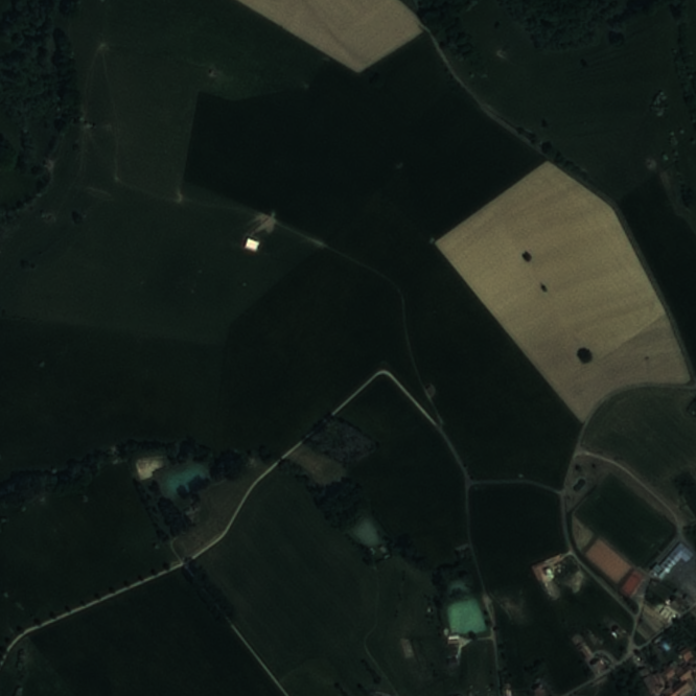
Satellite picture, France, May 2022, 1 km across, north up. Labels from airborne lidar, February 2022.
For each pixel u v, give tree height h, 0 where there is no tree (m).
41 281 0
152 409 0
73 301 0
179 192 0
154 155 0
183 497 22
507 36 0
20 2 19
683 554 0
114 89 0
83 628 0
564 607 0
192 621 0
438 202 0
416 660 0
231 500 0
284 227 0
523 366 0
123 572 0
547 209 0
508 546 0
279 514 0
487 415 0
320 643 0
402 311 0
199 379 0
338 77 0
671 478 0
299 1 0
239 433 0
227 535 0
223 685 0
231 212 0
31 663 0
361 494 17
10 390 0
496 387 0
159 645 0
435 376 0
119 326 0
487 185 0
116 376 0
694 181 0
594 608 0
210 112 0
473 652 0
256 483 0
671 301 0
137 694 0
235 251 0
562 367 0
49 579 0
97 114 0
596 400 0
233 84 0
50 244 0
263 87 0
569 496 0
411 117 0
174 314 0
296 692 0
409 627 0
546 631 0
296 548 0
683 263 0
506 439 0
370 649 0
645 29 0
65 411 0
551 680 0
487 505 0
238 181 0
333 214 0
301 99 0
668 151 0
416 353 0
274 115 0
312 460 0
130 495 0
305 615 0
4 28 20
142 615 0
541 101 0
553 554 0
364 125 0
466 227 0
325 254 0
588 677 9
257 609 0
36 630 0
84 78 0
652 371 0
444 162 0
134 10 0
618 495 0
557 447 0
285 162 0
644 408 0
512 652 0
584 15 25
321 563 0
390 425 0
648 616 0
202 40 0
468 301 0
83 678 0
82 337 0
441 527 0
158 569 0
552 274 0
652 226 0
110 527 0
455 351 0
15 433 0
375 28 0
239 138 0
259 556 0
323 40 0
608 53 0
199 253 0
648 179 0
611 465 0
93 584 0
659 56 0
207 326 0
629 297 0
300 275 0
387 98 0
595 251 0
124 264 0
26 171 17
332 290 0
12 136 0
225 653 0
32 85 18
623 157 0
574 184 0
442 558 0
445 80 0
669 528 0
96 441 0
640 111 0
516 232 0
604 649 0
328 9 0
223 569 0
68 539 0
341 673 0
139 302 0
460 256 0
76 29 0
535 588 0
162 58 0
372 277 0
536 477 0
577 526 0
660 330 0
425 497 0
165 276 0
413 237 0
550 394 0
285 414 0
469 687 0
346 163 0
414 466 0
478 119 0
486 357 0
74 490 14
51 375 0
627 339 0
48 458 0
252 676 0
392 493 0
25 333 0
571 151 0
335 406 0
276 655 0
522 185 0
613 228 0
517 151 0
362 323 0
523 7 14
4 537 0
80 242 0
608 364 0
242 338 0
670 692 0
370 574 0
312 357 0
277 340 0
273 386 0
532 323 0
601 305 0
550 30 22
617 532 0
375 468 0
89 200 0
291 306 0
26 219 0
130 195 0
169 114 0
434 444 0
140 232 0
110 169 0
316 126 0
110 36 0
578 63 0
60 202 0
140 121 0
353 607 0
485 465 0
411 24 0
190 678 0
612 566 0
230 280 0
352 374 0
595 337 0
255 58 0
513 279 0
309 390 0
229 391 0
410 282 0
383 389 0
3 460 0
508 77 0
